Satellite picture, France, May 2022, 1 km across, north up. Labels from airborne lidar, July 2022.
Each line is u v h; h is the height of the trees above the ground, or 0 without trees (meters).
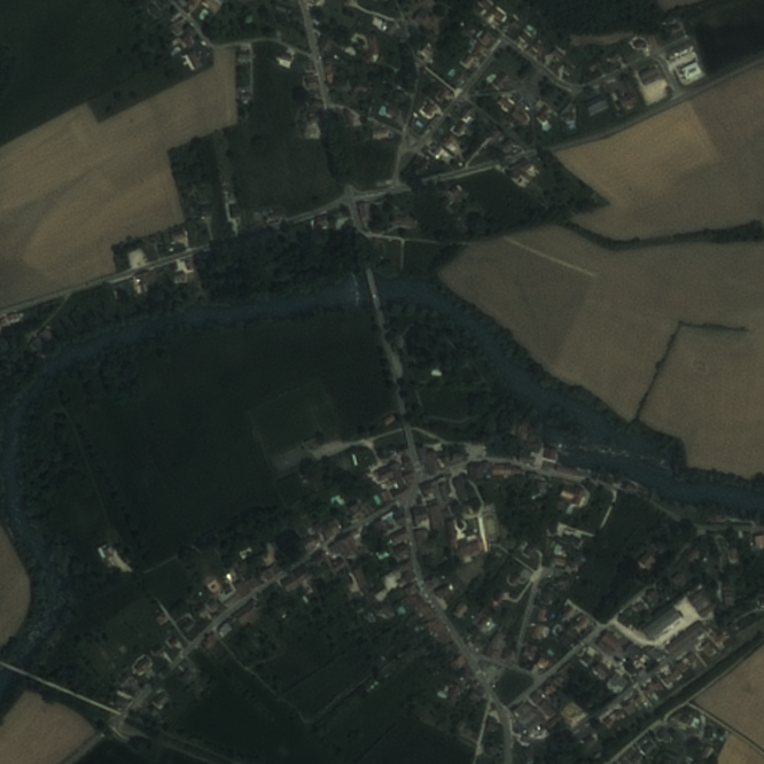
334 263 28
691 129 0
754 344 0
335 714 6
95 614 0
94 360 16
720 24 0
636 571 19
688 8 7
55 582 0
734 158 0
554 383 7
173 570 0
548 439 0
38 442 13
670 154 0
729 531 7
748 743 0
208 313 0
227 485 0
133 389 19
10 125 0
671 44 0
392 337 13
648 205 0
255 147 8
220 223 0
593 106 0
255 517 19
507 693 0
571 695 18
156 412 0
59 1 0
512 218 0
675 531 21
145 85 0
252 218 0
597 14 15
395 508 0
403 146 0
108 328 24
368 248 28
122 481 0
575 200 8
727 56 0
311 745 0
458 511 17
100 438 0
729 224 0
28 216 0
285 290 13
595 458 0
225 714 0
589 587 10
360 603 10
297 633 0
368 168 0
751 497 0
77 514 0
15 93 0
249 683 0
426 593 0
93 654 0
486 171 0
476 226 20
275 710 0
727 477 10
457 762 0
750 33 0
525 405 19
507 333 13
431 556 8
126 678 0
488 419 13
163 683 11
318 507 12
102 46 0
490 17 0
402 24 0
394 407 0
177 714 0
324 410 0
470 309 13
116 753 0
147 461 0
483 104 9
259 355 0
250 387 0
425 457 0
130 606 0
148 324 0
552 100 0
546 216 17
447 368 19
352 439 0
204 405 0
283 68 0
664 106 0
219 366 0
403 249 0
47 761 0
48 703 12
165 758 0
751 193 0
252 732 0
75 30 0
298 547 26
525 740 0
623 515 0
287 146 0
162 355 15
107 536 0
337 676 0
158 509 0
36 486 14
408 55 15
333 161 25
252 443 0
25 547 8
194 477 0
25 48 0
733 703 0
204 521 0
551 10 8
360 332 0
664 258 0
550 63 0
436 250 0
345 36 22
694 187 0
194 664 0
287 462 0
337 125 30
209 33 13
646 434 10
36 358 19
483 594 8
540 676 0
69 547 16
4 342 29
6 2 0
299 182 0
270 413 0
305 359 0
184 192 6
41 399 10
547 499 9
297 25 7
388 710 0
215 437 0
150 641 0
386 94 6
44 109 0
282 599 6
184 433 0
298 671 0
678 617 0
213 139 0
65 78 0
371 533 8
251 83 0
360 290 0
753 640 8
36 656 18
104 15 0
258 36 0
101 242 0
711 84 0
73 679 16
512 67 0
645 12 15
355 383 0
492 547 0
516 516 9
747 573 9
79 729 0
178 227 6
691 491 0
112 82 0
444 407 0
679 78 0
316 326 0
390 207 15
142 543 15
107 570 0
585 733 0
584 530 0
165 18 0
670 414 0
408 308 18
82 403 0
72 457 12
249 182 0
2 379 22
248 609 0
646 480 0
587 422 0
